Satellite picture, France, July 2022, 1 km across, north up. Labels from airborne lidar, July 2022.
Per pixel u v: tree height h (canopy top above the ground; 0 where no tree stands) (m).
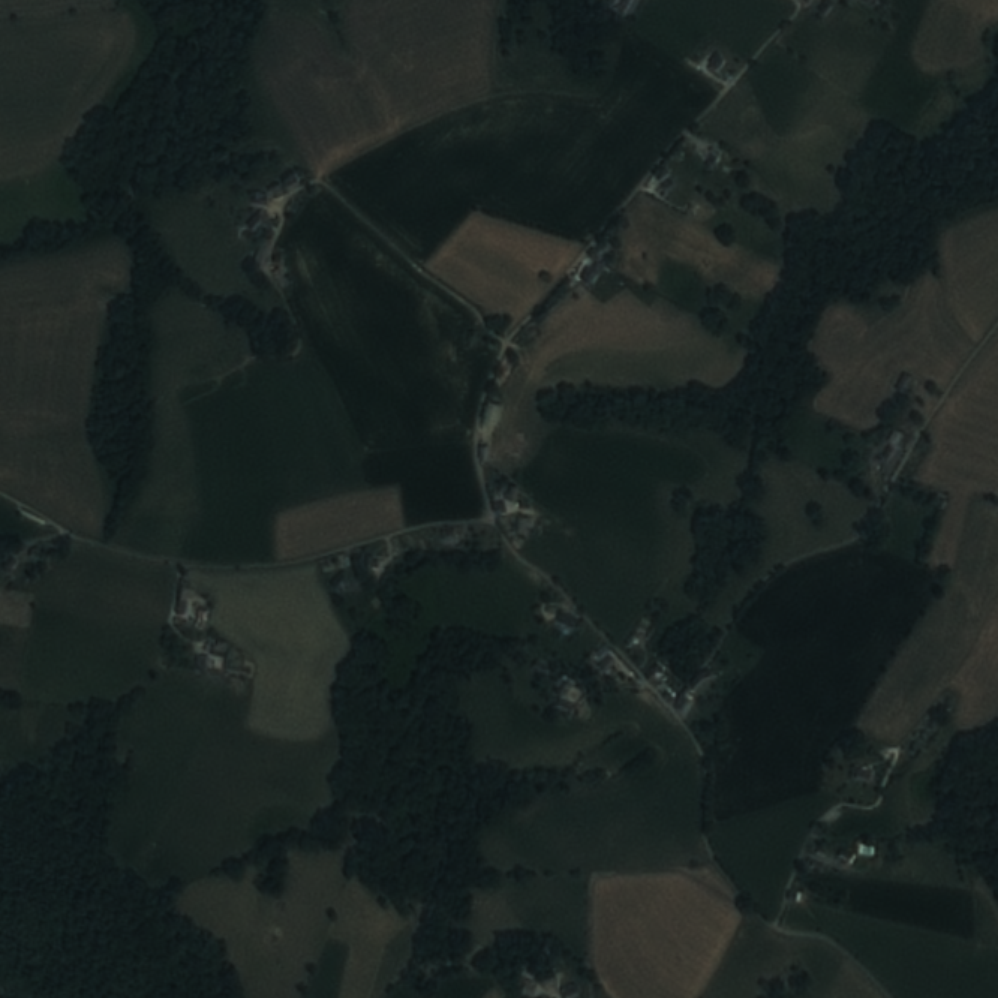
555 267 0
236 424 0
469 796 20
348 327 0
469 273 0
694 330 0
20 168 0
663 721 0
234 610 0
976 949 0
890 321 0
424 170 0
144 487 0
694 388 17
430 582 0
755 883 0
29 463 0
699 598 15
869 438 12
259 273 15
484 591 0
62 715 0
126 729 0
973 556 0
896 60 0
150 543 0
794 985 22
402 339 0
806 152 0
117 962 17
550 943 12
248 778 0
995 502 11
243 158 7
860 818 0
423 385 0
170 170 17
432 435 0
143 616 0
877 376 0
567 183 0
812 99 0
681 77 0
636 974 0
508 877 8
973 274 0
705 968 0
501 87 0
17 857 11
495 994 0
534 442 0
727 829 0
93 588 0
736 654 0
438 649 15
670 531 0
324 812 16
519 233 0
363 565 12
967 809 32
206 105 23
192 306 0
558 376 0
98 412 8
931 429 0
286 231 0
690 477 0
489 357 0
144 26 0
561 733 0
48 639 0
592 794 0
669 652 13
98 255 0
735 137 0
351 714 22
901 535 0
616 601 0
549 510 0
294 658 0
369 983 0
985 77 0
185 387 0
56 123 0
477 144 0
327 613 0
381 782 18
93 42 0
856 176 26
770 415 19
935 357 0
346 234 0
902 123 0
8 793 15
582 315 0
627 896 0
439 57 0
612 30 17
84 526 0
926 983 0
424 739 23
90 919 23
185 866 0
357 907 0
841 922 0
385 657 16
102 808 14
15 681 0
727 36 0
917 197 22
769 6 0
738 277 0
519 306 0
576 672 8
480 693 0
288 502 0
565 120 0
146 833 0
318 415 0
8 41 0
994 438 0
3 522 0
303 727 0
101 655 0
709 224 0
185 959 18
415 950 12
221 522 0
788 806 0
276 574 0
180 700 0
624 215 7
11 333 0
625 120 0
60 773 26
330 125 0
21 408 0
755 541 22
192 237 0
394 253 0
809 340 6
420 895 20
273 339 23
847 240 16
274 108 0
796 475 0
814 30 0
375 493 0
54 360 0
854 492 13
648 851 0
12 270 0
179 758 0
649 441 0
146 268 20
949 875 0
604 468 0
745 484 21
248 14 24
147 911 22
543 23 0
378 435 0
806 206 0
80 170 22
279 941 0
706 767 12
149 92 12
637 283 0
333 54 0
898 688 0
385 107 0
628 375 0
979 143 28
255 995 0
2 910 10
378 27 0
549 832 0
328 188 0
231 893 0
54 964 14
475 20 0
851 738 17
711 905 0
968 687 0
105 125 20
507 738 0
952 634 0
